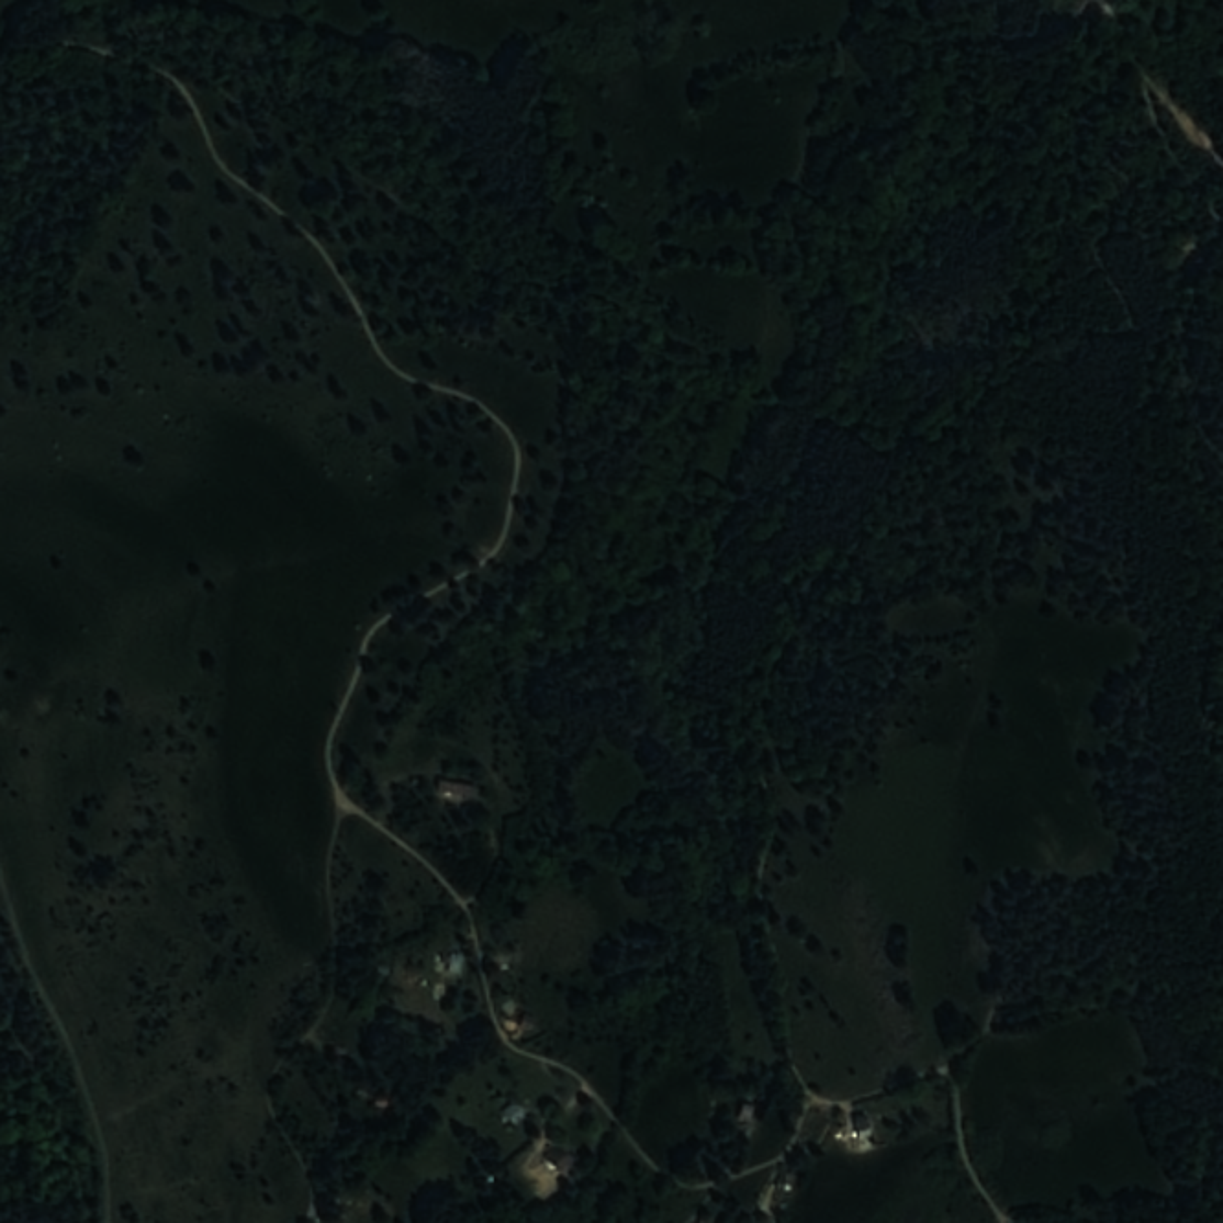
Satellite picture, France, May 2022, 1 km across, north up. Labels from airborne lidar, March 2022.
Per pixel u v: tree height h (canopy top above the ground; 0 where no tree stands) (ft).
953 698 0
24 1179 80
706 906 66
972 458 65
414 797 29
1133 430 65
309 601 0
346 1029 0
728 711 72
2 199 67
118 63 33
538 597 47
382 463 0
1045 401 35
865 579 69
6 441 0
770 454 107
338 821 0
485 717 0
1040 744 0
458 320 100
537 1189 0
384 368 0
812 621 63
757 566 76
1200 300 83
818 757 71
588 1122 50
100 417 0
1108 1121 0
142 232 0
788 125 0
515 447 0
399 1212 0
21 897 0
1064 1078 0
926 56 69
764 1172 0
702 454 24
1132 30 57
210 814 0
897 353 98
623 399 77
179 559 0
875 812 0
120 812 0
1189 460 84
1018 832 0
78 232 71
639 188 0
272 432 0
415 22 0
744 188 0
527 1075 0
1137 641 0
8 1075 79
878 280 89
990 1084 0
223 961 21
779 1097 58
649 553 32
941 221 95
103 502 0
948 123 114
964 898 0
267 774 0
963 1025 75
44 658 0
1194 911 44
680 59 0
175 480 0
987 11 75
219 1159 0
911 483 66
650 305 49
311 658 0
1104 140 85
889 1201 0
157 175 0
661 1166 0
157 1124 0
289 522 0
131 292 0
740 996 0
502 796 0
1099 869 0
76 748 0
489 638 34
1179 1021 62
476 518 0
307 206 55
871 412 41
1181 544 64
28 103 65
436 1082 71
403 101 38
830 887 0
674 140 0
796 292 68
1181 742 52
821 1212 0
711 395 46
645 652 79
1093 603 55
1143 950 55
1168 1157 61
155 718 0
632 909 0
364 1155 73
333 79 72
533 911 0
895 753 0
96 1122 0
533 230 19
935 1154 19
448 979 0
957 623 0
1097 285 43
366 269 71
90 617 0
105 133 35
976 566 52
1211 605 73
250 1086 0
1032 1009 51
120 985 0
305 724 0
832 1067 0
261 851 0
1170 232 67
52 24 103
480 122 92
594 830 30
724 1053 40
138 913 0
